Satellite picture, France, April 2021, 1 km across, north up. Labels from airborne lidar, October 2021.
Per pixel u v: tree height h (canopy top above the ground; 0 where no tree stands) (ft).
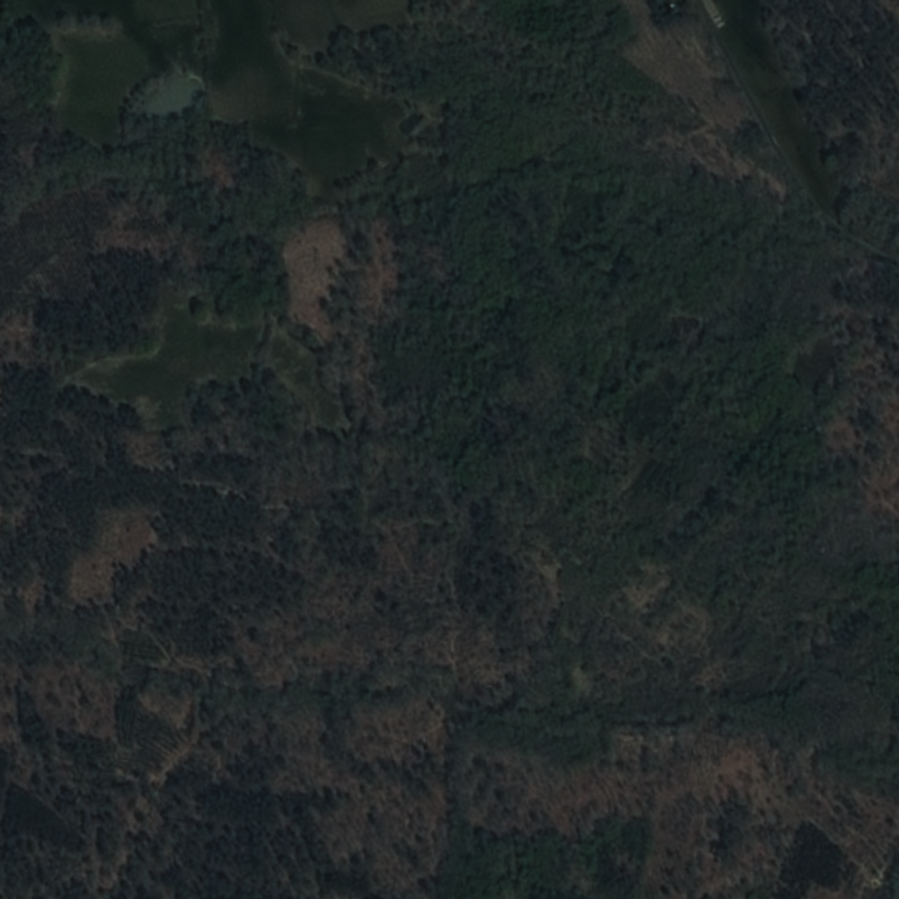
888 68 81
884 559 46
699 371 39
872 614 30
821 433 62
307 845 21
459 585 25
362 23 0
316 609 48
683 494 30
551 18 52
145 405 0
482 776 29
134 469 0
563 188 67
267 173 79
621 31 55
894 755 53
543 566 25
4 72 38
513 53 53
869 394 57
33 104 52
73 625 67
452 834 63
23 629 78
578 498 30
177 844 31
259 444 35
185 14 0
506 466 34
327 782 38
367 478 37
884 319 44
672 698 32
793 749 50
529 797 45
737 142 50
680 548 86
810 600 26
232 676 54
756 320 53
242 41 0
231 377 0
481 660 29
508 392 62
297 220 70
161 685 78
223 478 0
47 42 64
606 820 37
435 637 33
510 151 73
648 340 27
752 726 47
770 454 55
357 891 56
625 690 26
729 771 0
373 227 29
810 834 25
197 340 0
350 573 72
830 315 31
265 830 71
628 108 34
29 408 60
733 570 47
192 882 22
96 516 0
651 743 73
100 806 57
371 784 74
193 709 32
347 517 91
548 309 53
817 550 36
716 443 22
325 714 54
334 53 48
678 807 34
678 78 74
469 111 64
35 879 71
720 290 62
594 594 41
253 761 65
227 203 26
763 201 45
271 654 35
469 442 36
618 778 36
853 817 28
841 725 48
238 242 65
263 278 73
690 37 68
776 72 0
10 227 70
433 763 84
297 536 57
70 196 42
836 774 52
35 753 67
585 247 36
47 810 34
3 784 39
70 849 33
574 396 62
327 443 59
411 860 60
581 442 44
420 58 39
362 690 50
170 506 0
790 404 70
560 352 64
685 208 64
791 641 35
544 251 70
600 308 38
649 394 20
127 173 84
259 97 0
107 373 0
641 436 20
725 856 77
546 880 50
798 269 49
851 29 74
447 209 22
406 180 39
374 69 77
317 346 63
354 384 38
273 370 0
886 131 40
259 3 0
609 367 45
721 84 50
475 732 70
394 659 56
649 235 70
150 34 0
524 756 54
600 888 30
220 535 0
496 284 74
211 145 31
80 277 23
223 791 27
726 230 52
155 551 0
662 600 47
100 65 0
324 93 0
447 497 45
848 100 86
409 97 75
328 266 0
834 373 51
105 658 77
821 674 40
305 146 0
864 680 48
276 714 72
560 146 74
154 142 65
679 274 72
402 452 47
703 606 53
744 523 42
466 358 28
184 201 35
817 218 79
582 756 57
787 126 0
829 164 71
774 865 37
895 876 57
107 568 0
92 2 0
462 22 42
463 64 56
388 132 0
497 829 38
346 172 0
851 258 52
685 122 27
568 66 50
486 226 68
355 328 43
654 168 51
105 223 21
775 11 59
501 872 41
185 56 0
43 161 72
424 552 44
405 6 0
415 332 26
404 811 63
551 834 45
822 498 75
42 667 61
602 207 78
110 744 30
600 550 22
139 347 56
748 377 45
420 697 76
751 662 38
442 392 63
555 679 62
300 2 0
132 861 40
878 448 55
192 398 47
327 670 20
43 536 0
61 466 30
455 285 49
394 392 27
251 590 0
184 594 0
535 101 30
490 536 71
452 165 73
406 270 22
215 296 59
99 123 0
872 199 93
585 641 33
